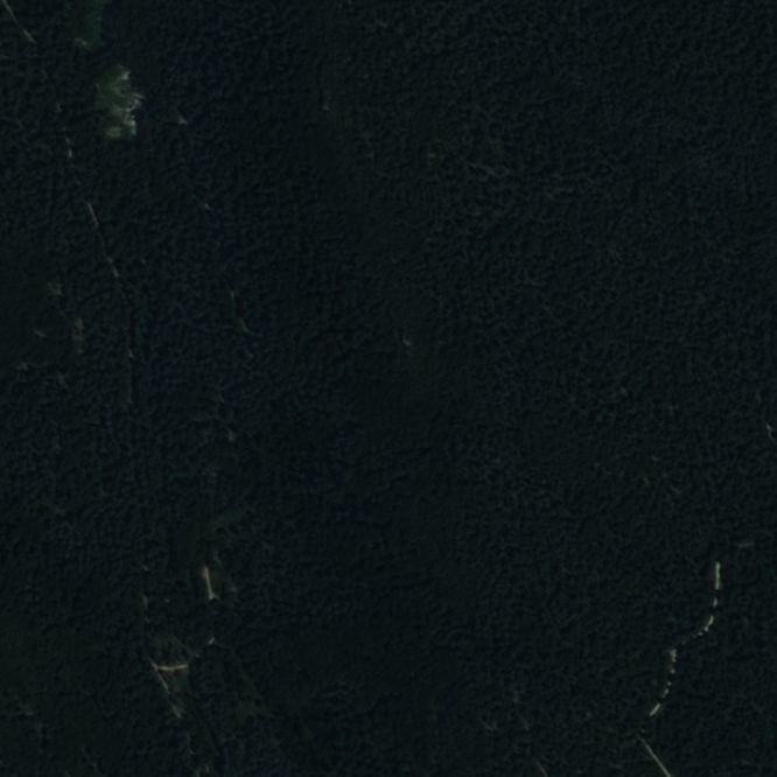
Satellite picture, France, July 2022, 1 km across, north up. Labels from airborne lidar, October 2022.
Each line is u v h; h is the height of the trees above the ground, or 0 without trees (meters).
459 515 16
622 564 18
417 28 13
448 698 15
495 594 18
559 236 18
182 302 27
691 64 18
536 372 27
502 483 10
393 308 10
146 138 23
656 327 22
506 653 23
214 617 17
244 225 28
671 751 24
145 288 7
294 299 26
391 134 17
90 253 20
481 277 24
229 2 34
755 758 14
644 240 21
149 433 35
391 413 24
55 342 20
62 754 21
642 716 11
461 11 14
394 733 23
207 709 27
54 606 31
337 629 32
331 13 12
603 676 14
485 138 30
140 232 29
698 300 31
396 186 17
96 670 26
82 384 29
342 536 28
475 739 13
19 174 31
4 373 29
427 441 31
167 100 19
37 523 33
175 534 35
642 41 18
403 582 14
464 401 18
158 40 27
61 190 28
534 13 27
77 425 26
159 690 37
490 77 24
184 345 36
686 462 20
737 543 22
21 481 27
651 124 34
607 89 21
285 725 7
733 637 6
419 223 23
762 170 28
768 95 29
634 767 19
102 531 24
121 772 22
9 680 22
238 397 35
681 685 7
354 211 28
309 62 27
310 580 18
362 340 29
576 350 19
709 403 20
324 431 11
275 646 34
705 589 16
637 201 28
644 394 19
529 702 29
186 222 31
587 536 28
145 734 23
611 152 10
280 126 24
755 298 27
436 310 18
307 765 16
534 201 13
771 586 16
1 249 15
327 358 25
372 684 30
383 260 11
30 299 21
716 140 24
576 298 26
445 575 7
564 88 14
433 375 15
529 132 21
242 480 30
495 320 25
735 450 15
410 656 26
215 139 25
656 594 33
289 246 19
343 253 33
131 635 30
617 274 25
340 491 32
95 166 19
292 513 6
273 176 20
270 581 32
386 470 29
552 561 19
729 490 15
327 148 24
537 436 16
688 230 27
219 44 33
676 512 26
